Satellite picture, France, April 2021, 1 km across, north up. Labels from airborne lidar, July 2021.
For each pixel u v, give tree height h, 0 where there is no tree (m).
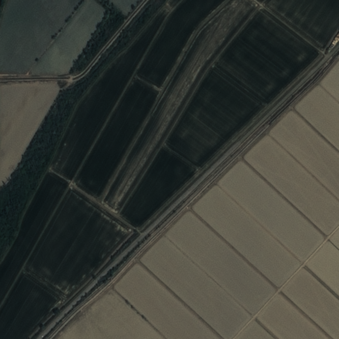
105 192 0
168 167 0
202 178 0
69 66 0
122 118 0
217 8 0
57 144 8
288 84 0
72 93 8
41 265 0
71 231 0
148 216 0
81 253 0
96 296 0
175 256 0
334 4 0
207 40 0
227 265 0
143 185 0
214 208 0
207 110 0
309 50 0
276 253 0
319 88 0
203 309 0
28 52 0
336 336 0
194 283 0
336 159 0
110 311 0
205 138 0
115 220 0
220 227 0
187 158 0
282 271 0
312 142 0
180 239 0
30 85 0
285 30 0
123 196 0
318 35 0
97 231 0
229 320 0
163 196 0
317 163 0
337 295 0
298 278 0
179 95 0
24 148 0
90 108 0
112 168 0
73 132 0
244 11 0
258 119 0
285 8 0
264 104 0
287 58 0
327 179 0
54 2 0
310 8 0
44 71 0
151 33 0
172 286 0
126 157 0
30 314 0
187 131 0
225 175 0
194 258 0
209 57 0
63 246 0
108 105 0
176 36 0
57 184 0
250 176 0
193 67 0
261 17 0
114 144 0
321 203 0
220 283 0
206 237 0
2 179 0
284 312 0
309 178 0
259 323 0
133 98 0
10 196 13
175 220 0
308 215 0
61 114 11
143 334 0
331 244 0
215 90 0
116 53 6
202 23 0
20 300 0
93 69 8
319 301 0
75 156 0
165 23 0
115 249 0
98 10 0
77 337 0
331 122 0
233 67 0
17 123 0
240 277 0
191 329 0
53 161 0
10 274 0
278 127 0
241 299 0
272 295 0
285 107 0
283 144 0
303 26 0
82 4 10
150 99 0
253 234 0
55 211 0
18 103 0
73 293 0
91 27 0
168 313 0
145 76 0
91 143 0
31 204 0
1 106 0
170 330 0
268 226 0
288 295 0
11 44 0
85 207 0
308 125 0
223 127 0
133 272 0
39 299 0
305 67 0
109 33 5
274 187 0
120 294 0
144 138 0
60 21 0
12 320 0
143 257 0
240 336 0
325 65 0
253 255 0
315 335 0
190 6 0
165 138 0
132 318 0
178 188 0
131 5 0
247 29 0
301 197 0
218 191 0
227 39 0
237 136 0
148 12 8
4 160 0
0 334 0
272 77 0
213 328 0
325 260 0
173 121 0
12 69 0
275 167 0
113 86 0
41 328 14
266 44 0
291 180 0
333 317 0
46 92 0
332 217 0
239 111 0
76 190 0
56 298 0
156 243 0
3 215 11
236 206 0
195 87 0
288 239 0
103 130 0
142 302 0
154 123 0
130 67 0
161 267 0
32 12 0
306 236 0
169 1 0
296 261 0
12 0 0
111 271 12
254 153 0
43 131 11
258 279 0
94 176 0
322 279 0
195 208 0
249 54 0
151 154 0
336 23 0
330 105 0
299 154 0
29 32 0
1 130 0
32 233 0
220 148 0
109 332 0
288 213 0
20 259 0
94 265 0
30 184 9
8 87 0
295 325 0
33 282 0
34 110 0
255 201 0
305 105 0
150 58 0
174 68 0
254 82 0
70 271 0
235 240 0
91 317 0
